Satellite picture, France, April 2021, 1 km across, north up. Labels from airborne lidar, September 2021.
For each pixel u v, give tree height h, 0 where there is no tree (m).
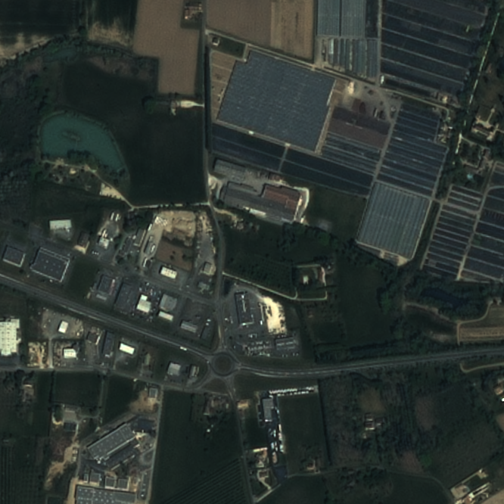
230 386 0
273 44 0
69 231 0
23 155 11
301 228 19
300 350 0
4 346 0
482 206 0
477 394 11
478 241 0
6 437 7
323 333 0
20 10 0
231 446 0
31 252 0
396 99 0
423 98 0
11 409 9
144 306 0
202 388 0
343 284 0
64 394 0
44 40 0
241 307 0
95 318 0
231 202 0
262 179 0
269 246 0
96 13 0
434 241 0
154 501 0
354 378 12
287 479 0
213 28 0
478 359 9
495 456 10
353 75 0
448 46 0
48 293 0
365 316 0
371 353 15
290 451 0
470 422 10
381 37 0
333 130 0
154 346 0
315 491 0
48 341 0
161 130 0
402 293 18
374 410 0
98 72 0
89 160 22
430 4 0
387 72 0
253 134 0
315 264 8
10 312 0
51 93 14
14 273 0
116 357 0
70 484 0
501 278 0
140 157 0
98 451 0
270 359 0
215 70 0
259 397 0
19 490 6
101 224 0
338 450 16
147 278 0
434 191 0
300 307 5
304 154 0
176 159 0
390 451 12
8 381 9
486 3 10
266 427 0
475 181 7
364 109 0
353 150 0
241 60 0
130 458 11
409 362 0
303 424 0
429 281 14
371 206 0
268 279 9
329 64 0
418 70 0
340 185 0
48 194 0
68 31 0
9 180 17
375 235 0
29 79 6
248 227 14
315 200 0
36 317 0
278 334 0
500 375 8
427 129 0
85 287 0
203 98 14
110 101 0
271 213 0
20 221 16
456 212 0
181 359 0
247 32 0
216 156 0
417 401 12
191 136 0
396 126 0
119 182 9
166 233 0
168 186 0
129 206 0
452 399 17
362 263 14
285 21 0
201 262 0
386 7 0
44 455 7
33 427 0
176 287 0
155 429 0
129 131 0
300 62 0
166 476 0
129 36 0
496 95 0
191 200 0
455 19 0
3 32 0
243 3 0
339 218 0
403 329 13
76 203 0
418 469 19
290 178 0
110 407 0
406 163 0
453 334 0
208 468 0
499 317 0
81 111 0
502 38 0
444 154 0
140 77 0
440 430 13
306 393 0
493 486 0
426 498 0
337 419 14
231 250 0
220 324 0
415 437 11
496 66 10
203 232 0
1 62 0
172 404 0
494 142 5
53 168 0
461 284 0
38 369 0
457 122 13
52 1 0
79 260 0
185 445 0
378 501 8
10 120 6
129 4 0
